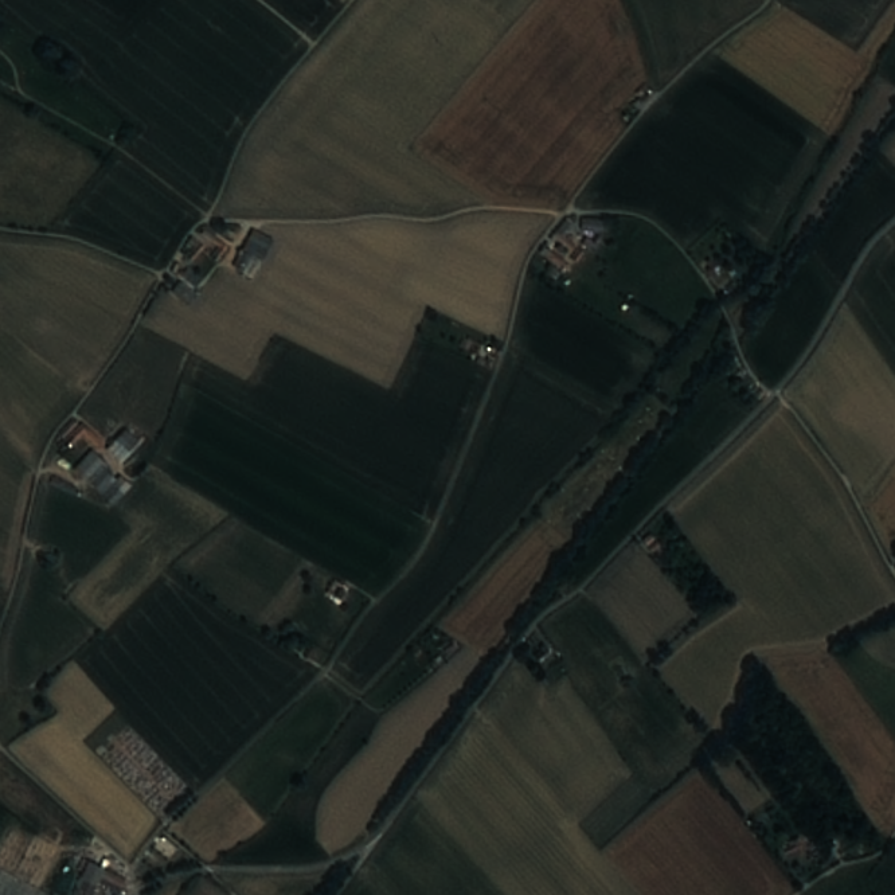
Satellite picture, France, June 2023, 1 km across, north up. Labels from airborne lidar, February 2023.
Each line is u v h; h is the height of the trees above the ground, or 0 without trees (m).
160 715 0
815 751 22
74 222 0
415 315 0
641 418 0
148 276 0
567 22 0
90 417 0
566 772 0
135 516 0
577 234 0
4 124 0
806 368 0
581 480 0
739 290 11
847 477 0
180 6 0
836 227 0
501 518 0
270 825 0
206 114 0
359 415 0
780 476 0
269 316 0
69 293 0
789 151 0
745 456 0
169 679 0
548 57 0
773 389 0
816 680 0
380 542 0
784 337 0
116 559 0
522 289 0
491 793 0
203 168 0
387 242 0
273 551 0
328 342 0
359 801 0
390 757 0
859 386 0
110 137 0
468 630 0
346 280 0
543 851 0
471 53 0
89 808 0
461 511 0
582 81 0
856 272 0
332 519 0
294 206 0
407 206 0
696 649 0
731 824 0
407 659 0
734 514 0
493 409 0
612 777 0
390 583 0
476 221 0
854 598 0
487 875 0
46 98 0
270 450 0
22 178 0
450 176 0
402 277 0
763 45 0
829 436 0
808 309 0
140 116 0
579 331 0
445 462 0
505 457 0
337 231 0
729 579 0
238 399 0
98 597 0
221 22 0
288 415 0
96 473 0
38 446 0
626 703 0
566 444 0
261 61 0
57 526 0
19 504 0
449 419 0
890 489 0
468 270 0
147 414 0
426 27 0
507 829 0
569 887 0
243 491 0
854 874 0
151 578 0
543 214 0
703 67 0
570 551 13
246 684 0
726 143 0
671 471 0
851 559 0
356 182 0
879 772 0
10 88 0
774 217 0
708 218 0
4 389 0
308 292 0
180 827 0
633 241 0
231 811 0
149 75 0
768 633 0
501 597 0
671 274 0
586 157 0
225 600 0
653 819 0
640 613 0
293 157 0
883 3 0
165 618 0
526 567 0
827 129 0
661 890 0
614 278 0
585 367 0
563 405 0
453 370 0
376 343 0
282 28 0
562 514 0
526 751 0
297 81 0
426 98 0
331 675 0
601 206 0
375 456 0
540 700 0
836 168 0
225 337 0
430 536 0
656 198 0
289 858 0
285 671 0
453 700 12
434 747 9
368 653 0
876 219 0
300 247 0
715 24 0
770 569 0
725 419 0
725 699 0
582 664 0
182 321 0
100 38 0
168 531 0
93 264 0
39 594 0
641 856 0
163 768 0
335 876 15
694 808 0
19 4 0
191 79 0
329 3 0
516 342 0
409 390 0
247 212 0
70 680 0
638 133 0
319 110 0
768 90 0
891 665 0
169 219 0
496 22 0
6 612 0
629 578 0
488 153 0
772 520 0
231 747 0
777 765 26
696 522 0
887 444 0
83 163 0
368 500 0
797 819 21
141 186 0
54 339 0
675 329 12
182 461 0
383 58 0
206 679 0
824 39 0
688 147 0
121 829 0
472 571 0
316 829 0
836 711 0
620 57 0
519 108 0
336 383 0
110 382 0
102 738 0
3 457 0
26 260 0
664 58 0
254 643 0
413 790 0
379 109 0
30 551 0
